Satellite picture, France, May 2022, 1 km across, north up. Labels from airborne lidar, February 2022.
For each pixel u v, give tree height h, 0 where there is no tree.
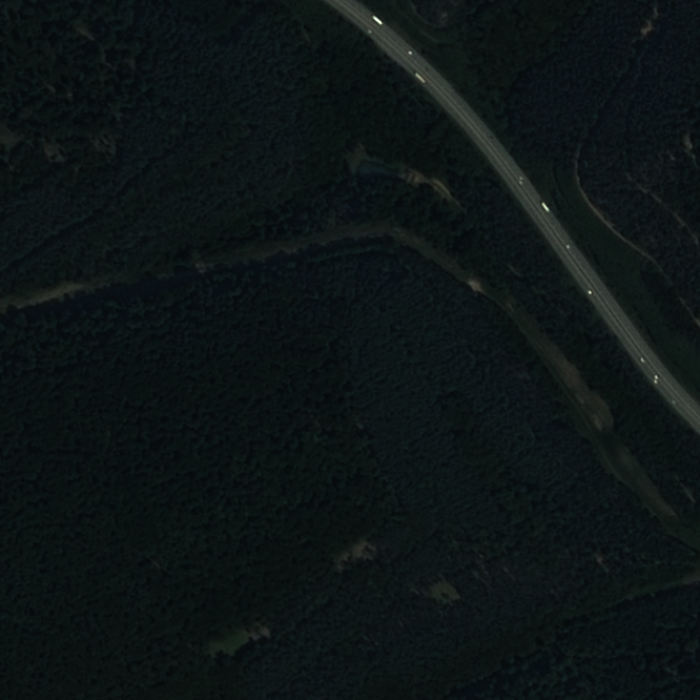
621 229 15
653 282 22
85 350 15
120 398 29
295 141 29
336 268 22
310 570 22
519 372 26
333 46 21
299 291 29
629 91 22
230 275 19
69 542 24
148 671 22
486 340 19
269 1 21
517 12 29
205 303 23
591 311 15
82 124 24
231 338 26
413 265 22
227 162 29
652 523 23
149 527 28
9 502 27
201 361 26
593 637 16
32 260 21
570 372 0
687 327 18
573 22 26
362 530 23
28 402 32
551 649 10
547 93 29
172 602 27
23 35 10
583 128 25
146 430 29
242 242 17
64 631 25
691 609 15
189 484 28
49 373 26
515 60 27
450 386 22
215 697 30
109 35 32
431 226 12
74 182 14
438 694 21
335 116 23
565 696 35
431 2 17
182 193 23
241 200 23
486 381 26
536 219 0
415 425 23
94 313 37
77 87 31
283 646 34
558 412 17
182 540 21
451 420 30
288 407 30
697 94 19
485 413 35
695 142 15
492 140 0
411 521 19
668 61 22
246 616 27
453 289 22
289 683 28
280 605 21
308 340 15
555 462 21
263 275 32
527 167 17
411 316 29
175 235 23
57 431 28
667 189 19
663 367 0
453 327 21
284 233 30
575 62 22
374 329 25
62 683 27
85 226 20
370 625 21
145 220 27
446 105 0
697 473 19
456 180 19
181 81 28
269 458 30
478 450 32
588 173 18
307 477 27
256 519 27
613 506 17
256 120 29
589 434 0
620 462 0
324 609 28
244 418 28
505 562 19
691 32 20
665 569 12
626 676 15
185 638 28
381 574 27
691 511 24
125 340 29
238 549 28
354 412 23
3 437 30
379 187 21
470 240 29
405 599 22
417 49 0
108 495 27
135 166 27
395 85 9
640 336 0
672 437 15
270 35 29
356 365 22
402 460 17
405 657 30
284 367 27
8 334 31
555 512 27
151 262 15
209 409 25
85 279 26
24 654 25
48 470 28
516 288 27
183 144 20
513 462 31
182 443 30
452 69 20
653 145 20
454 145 20
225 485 31
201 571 27
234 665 23
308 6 19
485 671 18
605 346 21
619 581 23
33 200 24
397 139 20
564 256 0
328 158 24
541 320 28
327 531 26
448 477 26
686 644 12
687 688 11
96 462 27
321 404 30
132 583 30
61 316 29
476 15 24
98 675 28
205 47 26
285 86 25
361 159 0
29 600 22
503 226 27
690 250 23
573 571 19
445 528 23
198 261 0
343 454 26
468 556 24
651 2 25
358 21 0
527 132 20
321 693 29
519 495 33
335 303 27
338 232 0
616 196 26
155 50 16
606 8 28
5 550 25
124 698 26
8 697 24
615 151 23
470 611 26
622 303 0
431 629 27
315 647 28
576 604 22
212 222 24
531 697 32
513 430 32
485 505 24
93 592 24
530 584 21
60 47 32
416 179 0
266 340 25
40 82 25
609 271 14
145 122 30
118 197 22
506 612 28
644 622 17
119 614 25
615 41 25
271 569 26
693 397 0
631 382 23
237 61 26
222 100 18
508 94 27
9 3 34
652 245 20
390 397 24
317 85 13
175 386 29
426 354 31
